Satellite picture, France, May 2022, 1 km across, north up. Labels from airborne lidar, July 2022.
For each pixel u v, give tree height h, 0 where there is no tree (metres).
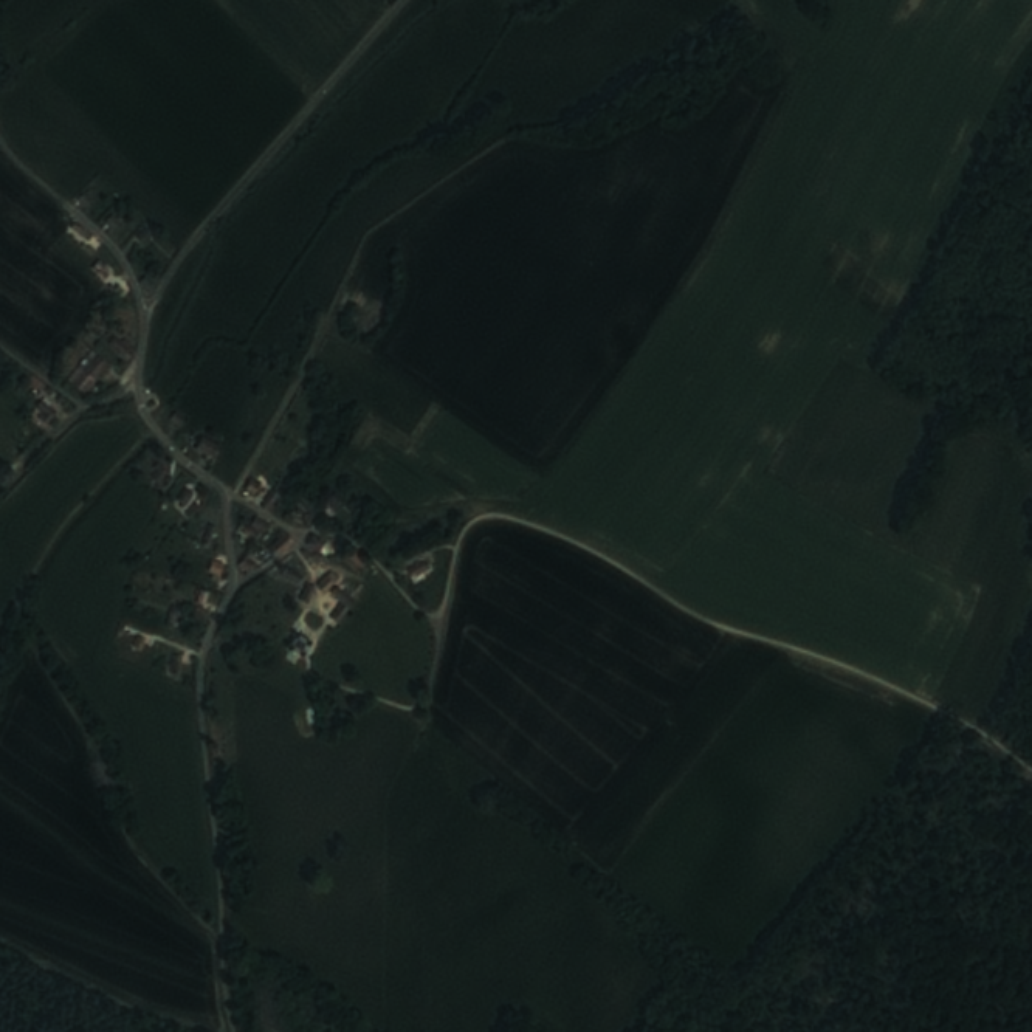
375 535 18
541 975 0
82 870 0
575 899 0
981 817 26
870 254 0
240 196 0
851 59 0
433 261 0
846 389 0
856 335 0
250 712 0
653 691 0
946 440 25
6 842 0
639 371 0
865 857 18
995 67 0
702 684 0
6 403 0
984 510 0
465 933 0
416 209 0
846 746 0
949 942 29
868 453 0
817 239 0
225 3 0
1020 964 26
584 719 0
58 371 11
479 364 0
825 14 13
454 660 0
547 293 0
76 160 0
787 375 0
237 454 0
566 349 0
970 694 0
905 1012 27
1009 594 0
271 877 0
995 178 29
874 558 0
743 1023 27
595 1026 0
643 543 0
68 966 0
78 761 0
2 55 24
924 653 0
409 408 0
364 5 0
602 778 0
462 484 0
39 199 0
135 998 0
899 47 0
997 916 23
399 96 0
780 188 0
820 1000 21
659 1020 22
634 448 0
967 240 29
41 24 0
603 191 0
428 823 0
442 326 0
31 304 0
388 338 0
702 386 0
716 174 0
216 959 0
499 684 0
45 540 0
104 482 0
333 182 0
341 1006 17
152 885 0
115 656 0
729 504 0
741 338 0
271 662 14
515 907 0
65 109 0
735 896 0
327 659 0
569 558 0
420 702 24
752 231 0
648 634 0
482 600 0
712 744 0
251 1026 18
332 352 0
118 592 0
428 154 13
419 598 13
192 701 0
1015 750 27
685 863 0
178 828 0
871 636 0
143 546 0
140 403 0
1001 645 0
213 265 0
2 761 0
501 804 18
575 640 0
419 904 0
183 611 8
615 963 0
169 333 0
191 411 0
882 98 0
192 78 0
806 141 0
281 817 0
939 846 28
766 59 20
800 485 0
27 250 0
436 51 0
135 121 0
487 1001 0
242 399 0
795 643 0
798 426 0
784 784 0
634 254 0
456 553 0
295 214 0
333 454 16
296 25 0
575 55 0
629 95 28
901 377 29
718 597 0
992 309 32
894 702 0
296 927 0
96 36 0
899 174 0
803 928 24
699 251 0
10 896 0
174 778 0
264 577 6
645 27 0
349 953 0
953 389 27
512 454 0
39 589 16
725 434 0
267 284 0
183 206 0
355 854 0
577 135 20
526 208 0
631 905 12
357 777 0
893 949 20
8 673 20
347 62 0
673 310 0
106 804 11
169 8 0
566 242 0
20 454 10
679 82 20
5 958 17
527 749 0
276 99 0
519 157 0
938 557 0
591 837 0
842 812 0
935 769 20
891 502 0
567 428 0
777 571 0
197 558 0
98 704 0
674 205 0
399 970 0
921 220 0
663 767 0
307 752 0
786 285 0
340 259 0
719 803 0
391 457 0
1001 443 0
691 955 18
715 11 0
